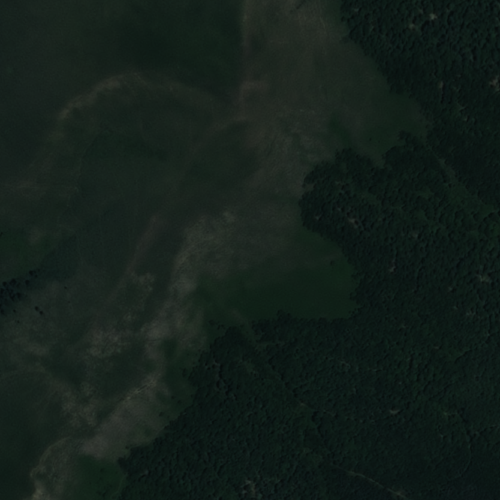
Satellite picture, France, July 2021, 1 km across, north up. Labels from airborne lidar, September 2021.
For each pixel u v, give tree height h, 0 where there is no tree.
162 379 0
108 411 0
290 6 0
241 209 0
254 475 23
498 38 18
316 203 22
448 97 21
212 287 0
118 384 0
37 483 0
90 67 0
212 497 30
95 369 0
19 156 0
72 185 0
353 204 23
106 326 0
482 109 17
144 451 17
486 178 16
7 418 0
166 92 0
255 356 12
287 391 9
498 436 17
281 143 0
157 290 0
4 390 0
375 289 20
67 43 0
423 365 16
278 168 0
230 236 0
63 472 0
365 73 0
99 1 0
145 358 0
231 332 15
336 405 21
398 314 23
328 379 18
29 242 0
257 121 0
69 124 0
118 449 0
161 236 0
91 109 0
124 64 0
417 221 10
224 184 0
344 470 6
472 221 15
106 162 0
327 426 23
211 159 0
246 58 0
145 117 0
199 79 0
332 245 0
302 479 28
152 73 0
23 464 0
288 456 16
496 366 20
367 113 0
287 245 0
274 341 9
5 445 0
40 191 0
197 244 0
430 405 26
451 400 21
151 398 0
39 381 0
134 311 0
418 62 20
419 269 23
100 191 0
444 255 19
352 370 20
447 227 15
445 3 24
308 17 0
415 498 16
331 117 0
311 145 0
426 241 20
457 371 16
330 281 0
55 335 0
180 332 0
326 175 15
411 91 8
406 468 15
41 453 0
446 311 22
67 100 0
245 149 0
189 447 11
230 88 0
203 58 0
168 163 0
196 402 11
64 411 0
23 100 0
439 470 20
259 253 0
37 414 0
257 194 0
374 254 21
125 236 0
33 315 0
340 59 0
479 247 29
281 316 9
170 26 0
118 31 0
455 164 14
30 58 0
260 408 25
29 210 0
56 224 0
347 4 13
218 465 27
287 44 0
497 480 15
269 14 0
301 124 0
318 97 0
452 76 19
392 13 14
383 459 19
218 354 16
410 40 22
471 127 15
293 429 20
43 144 0
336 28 0
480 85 19
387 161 9
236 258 0
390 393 14
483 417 19
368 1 19
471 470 20
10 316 0
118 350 0
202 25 0
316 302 0
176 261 0
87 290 0
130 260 0
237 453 20
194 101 0
